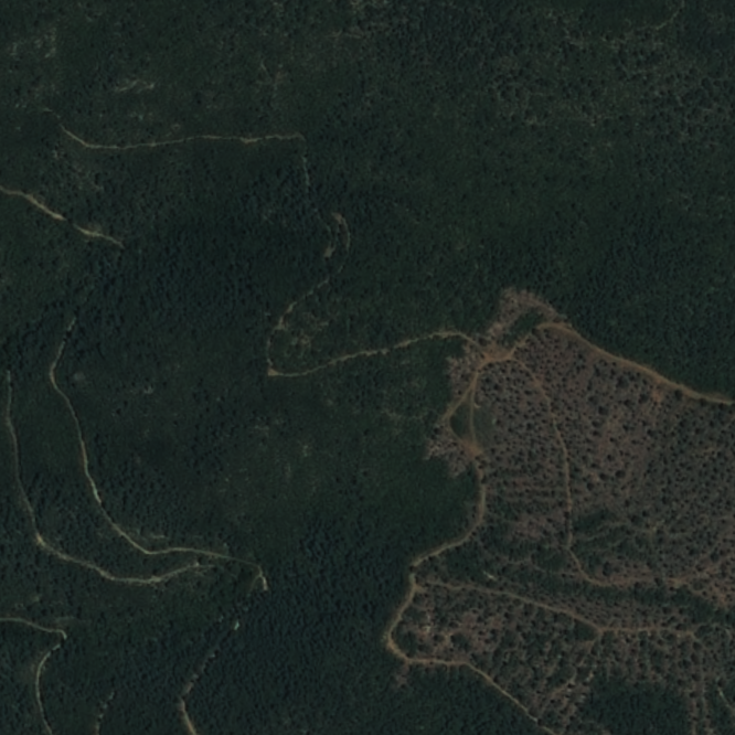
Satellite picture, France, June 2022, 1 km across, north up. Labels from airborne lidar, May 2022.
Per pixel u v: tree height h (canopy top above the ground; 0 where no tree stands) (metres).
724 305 9
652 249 12
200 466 17
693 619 7
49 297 10
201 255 13
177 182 5
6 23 14
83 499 10
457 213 8
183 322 16
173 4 7
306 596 17
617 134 10
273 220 8
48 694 10
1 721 15
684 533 12
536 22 8
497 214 6
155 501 10
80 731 8
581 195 6
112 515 14
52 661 9
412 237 11
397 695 9
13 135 8
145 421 8
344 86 6
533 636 10
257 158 9
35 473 9
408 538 6
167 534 11
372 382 11
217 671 11
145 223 6
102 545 9
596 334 16
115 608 7
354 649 9
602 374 19
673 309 8
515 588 7
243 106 7
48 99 6
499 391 15
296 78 6
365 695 7
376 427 6
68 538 13
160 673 19
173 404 7
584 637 7
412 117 9
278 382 7
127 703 6
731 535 0
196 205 7
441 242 6
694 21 10
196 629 9
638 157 11
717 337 9
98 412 5
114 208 12
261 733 6
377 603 8
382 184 5
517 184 7
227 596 10
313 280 10
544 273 14
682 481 10
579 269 8
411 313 7
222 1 6
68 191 6
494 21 8
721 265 8
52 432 6
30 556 11
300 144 10
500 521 7
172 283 11
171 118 6
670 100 10
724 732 9
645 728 6
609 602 6
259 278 8
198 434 7
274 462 5
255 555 9
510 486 11
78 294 11
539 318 7
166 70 6
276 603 12
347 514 7
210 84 8
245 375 8
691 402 0
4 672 12
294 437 5
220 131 6
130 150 6
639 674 7
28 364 11
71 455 6
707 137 9
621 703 15
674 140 11
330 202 11
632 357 9
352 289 6
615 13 8
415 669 6
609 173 6
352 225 8
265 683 6
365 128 13
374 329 7
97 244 7
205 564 16
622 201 7
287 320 7
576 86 12
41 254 8
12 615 7
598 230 8
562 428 11
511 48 9
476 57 9
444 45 9
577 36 8
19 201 8
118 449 8
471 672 8
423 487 8
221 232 10
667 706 8
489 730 18
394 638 6
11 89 5
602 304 13
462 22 8
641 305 6
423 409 5
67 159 12
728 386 8
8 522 14
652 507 0
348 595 13
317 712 10
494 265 13
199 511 6
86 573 7
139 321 6
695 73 10
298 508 8
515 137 14
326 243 8
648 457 0
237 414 14
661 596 14
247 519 13
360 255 11
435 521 11
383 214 6
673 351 6
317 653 8
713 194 10
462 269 6
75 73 7
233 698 13
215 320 10
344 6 13
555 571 6
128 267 13
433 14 12
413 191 6
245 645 13
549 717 6
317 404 8
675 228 6
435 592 6
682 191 14
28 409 6
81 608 12
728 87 12
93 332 11
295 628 14
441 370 6
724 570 6
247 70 6
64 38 6
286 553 7
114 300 9
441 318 8
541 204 7
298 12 11
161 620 6
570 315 13
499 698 7
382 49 10
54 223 10
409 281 11
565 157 9
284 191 7
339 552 13
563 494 7
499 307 7
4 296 10
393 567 12
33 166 9
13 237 8
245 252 8
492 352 0
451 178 5
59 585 15
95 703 9
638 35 10
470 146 6
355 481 9
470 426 0
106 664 5
